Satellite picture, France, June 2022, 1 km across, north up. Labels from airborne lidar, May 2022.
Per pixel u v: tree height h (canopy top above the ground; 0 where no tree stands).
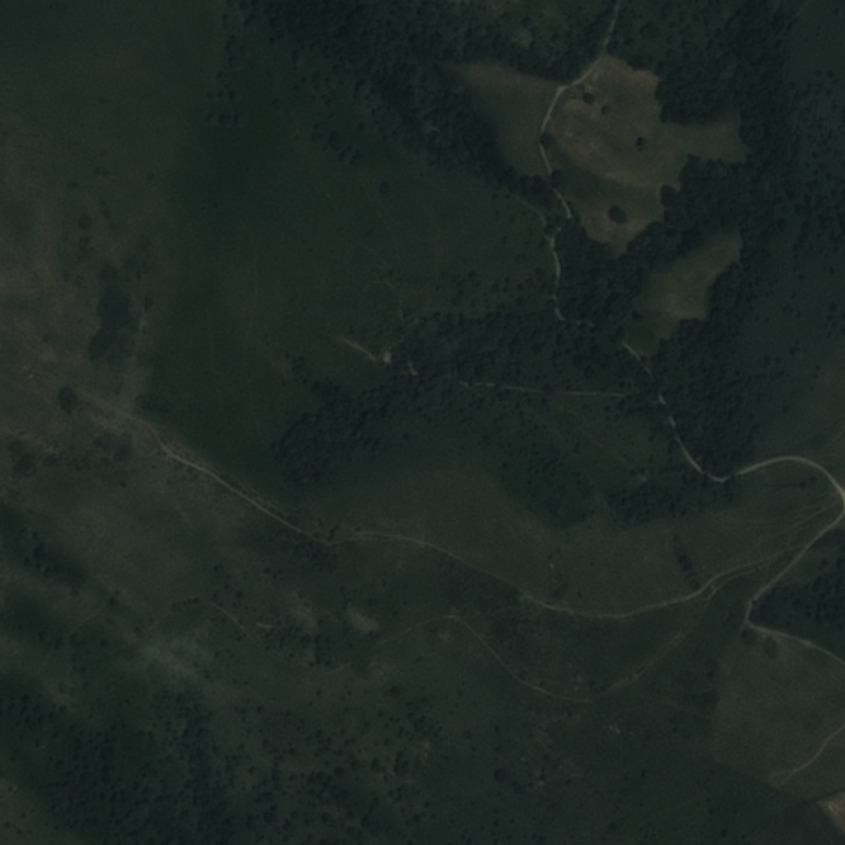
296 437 11
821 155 9
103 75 0
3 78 0
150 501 0
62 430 0
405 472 0
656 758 0
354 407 10
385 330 6
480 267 0
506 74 0
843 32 0
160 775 14
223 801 10
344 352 0
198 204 0
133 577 0
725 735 0
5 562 0
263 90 0
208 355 0
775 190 15
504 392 7
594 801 0
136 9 0
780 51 11
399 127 14
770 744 0
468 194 0
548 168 0
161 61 0
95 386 0
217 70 0
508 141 0
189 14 0
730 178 26
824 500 0
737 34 14
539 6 0
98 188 0
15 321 0
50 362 0
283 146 0
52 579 12
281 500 0
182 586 0
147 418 0
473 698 0
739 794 0
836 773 0
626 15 13
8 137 0
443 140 18
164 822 13
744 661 0
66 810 8
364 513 0
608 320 17
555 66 11
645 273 16
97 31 0
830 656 0
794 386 0
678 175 0
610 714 0
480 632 0
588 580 0
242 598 9
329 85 10
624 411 10
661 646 0
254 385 0
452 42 14
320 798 8
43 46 0
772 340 0
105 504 0
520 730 0
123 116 0
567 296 13
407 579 0
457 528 0
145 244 0
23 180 0
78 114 0
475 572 0
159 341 0
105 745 7
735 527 0
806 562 0
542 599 0
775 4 9
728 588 0
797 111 12
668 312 0
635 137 0
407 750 6
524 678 7
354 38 21
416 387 8
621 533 0
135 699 7
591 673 0
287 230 0
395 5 11
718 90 27
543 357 14
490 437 7
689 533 0
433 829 0
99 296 0
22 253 0
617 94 0
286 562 0
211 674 7
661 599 0
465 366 18
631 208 0
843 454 0
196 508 0
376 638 9
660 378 9
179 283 0
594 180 0
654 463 8
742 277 15
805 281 8
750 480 0
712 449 8
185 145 0
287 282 0
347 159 13
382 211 0
